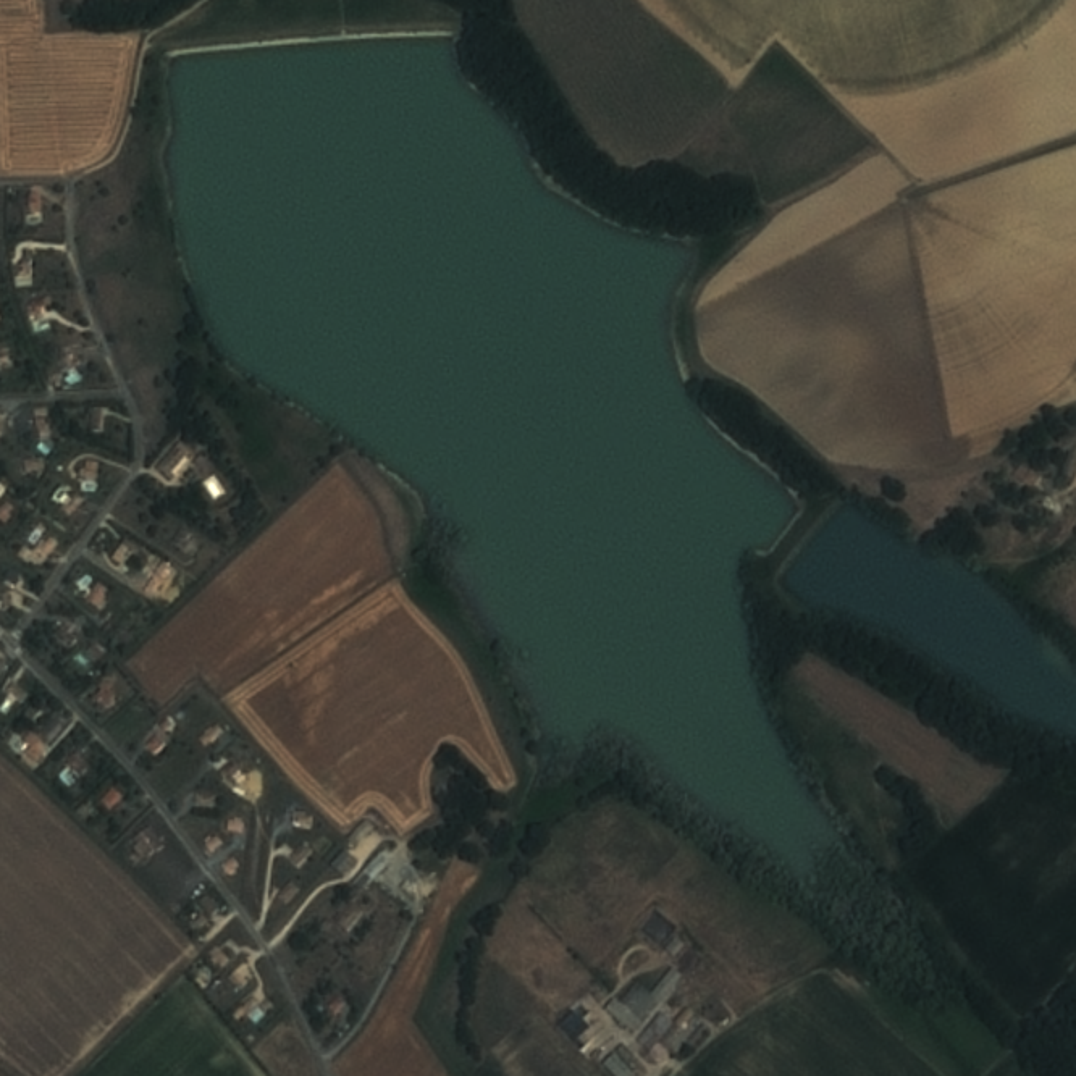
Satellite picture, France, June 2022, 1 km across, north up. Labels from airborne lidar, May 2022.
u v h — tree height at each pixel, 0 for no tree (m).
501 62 17
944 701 20
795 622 14
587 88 0
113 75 0
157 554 7
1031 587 0
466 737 0
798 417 0
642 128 0
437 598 0
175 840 0
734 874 12
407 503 0
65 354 0
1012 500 11
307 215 0
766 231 0
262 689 0
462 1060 0
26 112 0
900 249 0
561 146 20
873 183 0
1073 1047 21
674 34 0
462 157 0
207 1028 0
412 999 0
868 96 0
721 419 17
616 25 0
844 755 0
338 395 0
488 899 0
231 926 0
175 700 0
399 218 0
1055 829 0
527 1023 0
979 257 0
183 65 0
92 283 6
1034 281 0
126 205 0
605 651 0
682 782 0
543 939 0
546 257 0
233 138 0
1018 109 0
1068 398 0
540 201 0
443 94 0
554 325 0
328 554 0
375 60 0
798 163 0
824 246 0
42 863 0
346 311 0
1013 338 0
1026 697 0
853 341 0
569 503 0
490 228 0
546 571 0
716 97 0
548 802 0
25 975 0
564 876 0
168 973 0
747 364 0
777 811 0
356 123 0
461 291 0
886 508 14
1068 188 0
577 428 0
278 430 0
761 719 0
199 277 0
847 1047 0
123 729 0
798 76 0
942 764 0
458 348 0
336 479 0
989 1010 16
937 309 0
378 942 0
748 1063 0
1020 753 16
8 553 0
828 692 0
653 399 0
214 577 0
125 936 0
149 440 0
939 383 0
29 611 0
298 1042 0
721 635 0
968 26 0
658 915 0
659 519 0
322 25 0
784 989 0
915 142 0
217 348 17
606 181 16
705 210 18
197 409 8
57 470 0
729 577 0
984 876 0
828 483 19
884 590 0
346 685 0
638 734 0
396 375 0
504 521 0
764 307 0
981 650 0
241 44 0
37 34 0
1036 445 14
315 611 0
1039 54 0
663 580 0
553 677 0
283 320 0
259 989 0
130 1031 0
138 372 0
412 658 0
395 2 0
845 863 10
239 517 8
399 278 0
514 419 0
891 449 0
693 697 0
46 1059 0
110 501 0
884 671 14
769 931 0
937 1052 0
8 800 0
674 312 0
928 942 15
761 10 0
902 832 0
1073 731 0
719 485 0
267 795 0
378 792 0
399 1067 0
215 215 0
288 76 0
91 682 7
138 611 6
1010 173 0
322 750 0
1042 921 0
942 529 16
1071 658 6
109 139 0
